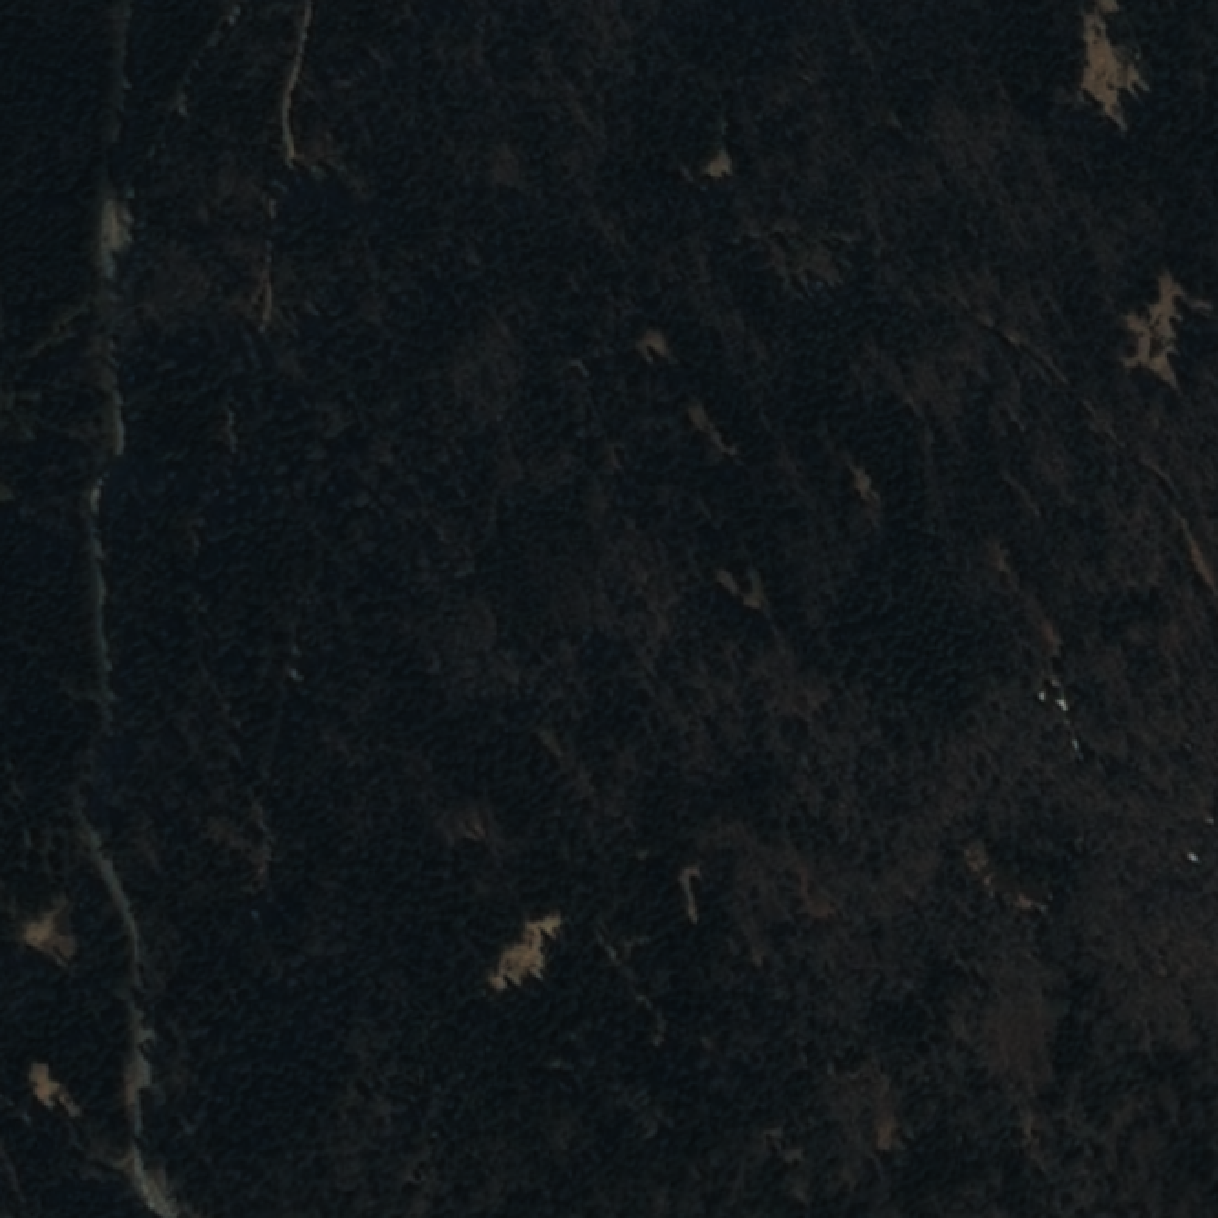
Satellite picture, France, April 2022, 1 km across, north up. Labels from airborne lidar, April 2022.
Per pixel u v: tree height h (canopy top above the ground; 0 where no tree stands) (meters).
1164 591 9
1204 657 16
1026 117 30
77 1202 24
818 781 21
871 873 21
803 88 22
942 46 25
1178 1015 23
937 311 20
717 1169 9
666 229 29
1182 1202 19
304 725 12
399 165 30
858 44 26
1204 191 19
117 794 29
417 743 28
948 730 12
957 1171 15
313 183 0
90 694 12
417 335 31
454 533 19
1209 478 21
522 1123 25
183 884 32
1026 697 14
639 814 17
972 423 14
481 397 22
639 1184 20
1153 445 19
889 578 21
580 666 12
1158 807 16
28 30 21
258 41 9
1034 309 22
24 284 19
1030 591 15
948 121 21
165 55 18
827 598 20
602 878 24
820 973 15
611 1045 28
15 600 26
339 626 22
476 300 27
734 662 21
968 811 16
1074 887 18
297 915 33
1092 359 21
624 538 23
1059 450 17
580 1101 33
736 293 18
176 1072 9
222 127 14
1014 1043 15
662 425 20
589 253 25
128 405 17
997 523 23
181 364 17
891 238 18
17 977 30
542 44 22
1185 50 24
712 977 24
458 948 24
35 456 6
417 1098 11
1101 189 22
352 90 36
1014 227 20
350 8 8
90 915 32
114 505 17
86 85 27
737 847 18
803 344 25
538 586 13
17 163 13
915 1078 15
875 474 21
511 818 21
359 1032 24
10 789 13
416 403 27
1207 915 11
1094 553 22
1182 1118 10
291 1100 27
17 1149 10
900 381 18
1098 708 15
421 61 31
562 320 24
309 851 25
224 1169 26
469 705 21
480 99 30
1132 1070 24
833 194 22
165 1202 0
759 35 20
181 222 11
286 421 30
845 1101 26
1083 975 13
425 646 15
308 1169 17
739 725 17
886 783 22
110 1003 32
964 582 15
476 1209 24
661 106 18
